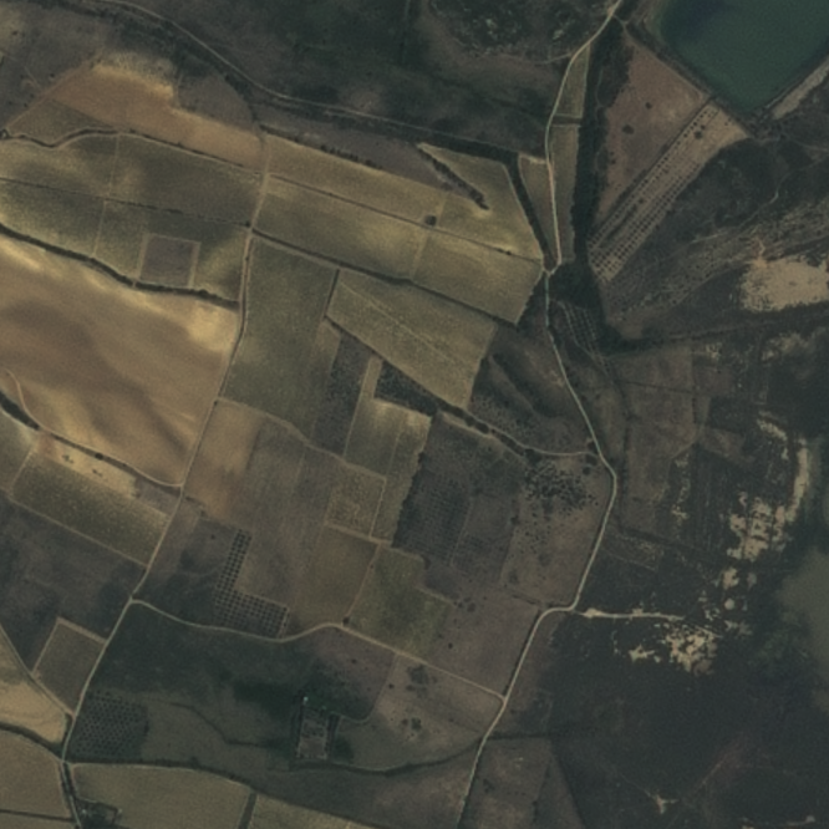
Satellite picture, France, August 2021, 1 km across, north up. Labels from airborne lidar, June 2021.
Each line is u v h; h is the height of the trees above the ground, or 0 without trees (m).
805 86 0
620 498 0
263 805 0
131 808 0
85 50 0
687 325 0
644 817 0
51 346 0
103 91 0
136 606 0
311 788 0
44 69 0
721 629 0
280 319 0
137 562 0
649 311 0
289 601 0
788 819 0
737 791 0
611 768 0
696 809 0
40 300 0
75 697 0
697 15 0
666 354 0
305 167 0
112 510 0
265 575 0
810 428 0
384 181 0
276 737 0
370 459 0
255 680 0
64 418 0
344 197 0
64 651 0
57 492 0
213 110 0
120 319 0
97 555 0
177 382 0
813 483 0
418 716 0
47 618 0
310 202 0
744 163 0
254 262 0
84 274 0
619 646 0
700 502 0
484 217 0
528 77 0
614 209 0
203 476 0
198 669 0
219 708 0
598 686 0
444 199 0
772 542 0
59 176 0
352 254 0
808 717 0
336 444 0
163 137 0
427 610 0
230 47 0
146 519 0
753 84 0
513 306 0
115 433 0
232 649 0
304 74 0
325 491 0
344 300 0
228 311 0
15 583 0
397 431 0
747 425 0
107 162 0
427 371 0
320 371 0
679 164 0
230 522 0
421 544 0
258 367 0
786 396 0
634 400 0
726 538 0
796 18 0
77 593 0
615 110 0
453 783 0
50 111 0
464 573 0
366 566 0
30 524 0
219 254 0
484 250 0
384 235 0
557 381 0
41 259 0
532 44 0
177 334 0
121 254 0
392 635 0
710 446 0
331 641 0
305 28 0
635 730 0
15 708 0
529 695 0
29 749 0
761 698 0
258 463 0
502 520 0
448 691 0
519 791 0
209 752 0
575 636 0
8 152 0
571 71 0
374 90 0
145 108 0
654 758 0
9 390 0
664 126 0
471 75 0
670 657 0
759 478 0
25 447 0
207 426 0
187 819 0
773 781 0
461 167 0
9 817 0
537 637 0
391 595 0
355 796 0
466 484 0
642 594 0
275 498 0
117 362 0
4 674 0
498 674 0
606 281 0
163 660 0
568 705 0
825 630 0
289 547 0
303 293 0
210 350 0
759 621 0
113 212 0
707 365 0
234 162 0
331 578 0
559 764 0
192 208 0
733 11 0
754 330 0
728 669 0
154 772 0
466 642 0
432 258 0
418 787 0
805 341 0
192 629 0
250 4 0
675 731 0
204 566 0
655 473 0
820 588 0
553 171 0
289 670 0
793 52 0
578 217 10
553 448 0
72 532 0
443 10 0
